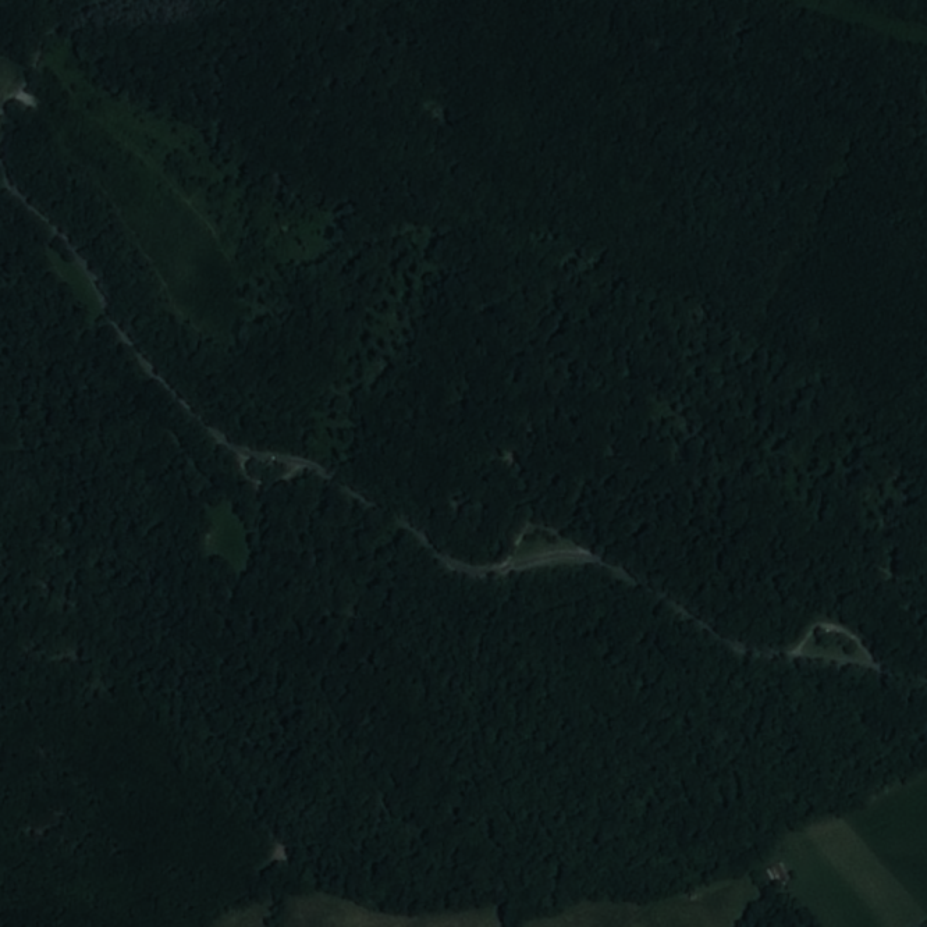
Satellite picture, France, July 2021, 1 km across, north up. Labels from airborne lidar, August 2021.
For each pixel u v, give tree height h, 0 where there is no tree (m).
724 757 27
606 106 20
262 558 23
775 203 29
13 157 20
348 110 24
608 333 29
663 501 28
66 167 21
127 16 25
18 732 26
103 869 18
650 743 24
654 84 33
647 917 0
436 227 30
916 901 0
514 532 25
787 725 23
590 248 32
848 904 0
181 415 25
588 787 24
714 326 23
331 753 20
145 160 7
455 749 25
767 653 20
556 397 28
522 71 21
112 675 26
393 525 25
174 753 22
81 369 21
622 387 34
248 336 30
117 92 30
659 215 22
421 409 24
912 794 0
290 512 28
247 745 15
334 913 0
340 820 23
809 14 19
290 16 23
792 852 0
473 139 23
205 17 24
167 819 23
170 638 21
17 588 30
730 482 27
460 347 29
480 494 27
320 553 31
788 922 19
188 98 26
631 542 24
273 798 29
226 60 25
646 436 32
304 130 28
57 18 27
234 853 20
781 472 27
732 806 22
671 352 32
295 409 23
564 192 23
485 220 25
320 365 23
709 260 25
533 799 30
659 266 20
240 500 24
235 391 22
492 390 31
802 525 23
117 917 20
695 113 21
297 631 9
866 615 26
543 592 15
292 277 15
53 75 9
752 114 25
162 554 29
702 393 34
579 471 27
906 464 24
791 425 31
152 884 20
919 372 17
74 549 26
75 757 21
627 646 29
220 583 27
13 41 21
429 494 27
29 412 29
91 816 25
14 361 29
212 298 8
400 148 30
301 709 26
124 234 21
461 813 25
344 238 32
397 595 26
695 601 21
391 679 31
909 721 27
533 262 32
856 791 22
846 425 14
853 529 28
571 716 24
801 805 23
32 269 26
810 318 24
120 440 30
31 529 25
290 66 31
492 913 0
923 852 0
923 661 23
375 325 28
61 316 21
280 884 21
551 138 18
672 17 27
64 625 22
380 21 25
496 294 28
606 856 30
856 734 28
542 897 21
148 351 21
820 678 25
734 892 0
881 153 22
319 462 12
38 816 24
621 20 28
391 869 27
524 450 25
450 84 25
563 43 27
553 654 26
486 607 22
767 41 29
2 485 24
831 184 16
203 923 24
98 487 29
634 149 21
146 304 25
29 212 18
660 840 20
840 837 0
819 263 17
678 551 28
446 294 31
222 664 28
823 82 25
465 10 24
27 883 19
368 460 23
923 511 31
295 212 29
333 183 31
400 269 25
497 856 33
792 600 26
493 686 27
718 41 22
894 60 30
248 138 27
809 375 23
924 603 27
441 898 20
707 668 25
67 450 28
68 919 24
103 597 28
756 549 28
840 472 18
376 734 27
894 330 18
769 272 24
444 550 27
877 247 22
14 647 24
